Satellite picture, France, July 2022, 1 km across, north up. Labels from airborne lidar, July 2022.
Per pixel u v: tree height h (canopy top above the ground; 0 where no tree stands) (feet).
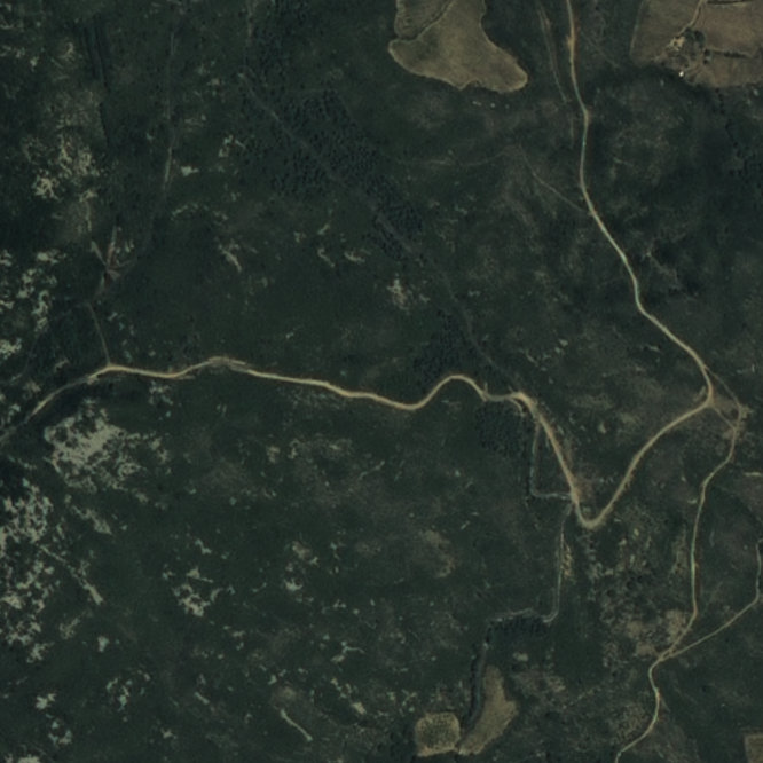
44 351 25
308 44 19
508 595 0
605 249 0
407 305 0
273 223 0
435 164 0
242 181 22
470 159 0
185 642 0
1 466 19
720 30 0
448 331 36
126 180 26
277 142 21
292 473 0
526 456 32
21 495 18
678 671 0
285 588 0
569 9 0
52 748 0
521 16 0
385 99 0
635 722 0
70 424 0
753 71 0
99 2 0
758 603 0
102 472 0
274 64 29
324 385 0
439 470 0
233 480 0
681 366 0
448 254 0
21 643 19
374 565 0
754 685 0
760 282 0
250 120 24
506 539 0
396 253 27
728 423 0
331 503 0
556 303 0
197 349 18
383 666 0
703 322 0
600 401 0
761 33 0
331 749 0
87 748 0
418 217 25
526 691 0
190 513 0
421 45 0
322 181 27
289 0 33
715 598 0
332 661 0
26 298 22
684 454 0
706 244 0
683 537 0
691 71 0
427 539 0
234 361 0
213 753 0
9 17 24
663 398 0
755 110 0
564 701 0
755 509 0
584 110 0
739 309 0
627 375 0
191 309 0
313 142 38
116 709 0
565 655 0
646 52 0
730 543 0
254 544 0
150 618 0
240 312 0
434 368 30
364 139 29
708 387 0
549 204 0
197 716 0
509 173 0
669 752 0
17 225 21
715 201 24
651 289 19
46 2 21
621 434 0
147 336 0
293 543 0
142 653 0
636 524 0
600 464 0
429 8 0
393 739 38
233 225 0
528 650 0
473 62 0
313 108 32
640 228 23
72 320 22
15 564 22
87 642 0
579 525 0
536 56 0
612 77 0
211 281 0
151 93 19
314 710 0
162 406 30
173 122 21
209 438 0
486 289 0
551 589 0
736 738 0
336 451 0
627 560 0
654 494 0
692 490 0
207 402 0
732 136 39
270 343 22
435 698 0
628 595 22
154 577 0
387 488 0
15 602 0
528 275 0
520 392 0
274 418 0
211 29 0
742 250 0
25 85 18
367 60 0
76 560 0
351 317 0
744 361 0
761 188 36
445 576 0
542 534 0
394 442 0
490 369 28
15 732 0
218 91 24
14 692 23
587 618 0
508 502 0
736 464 0
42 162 20
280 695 0
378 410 0
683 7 0
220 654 0
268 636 0
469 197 0
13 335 18
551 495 0
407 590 0
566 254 0
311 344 0
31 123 19
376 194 26
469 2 0
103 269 24
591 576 0
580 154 0
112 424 20
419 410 0
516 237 0
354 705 0
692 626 0
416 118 0
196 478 0
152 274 0
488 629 20
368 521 0
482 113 0
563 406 0
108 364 0
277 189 18
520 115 0
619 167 0
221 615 0
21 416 26
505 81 0
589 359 0
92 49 27
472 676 26
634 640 0
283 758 0
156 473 0
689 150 0
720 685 0
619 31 0
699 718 0
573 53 0
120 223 35
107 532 0
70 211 0
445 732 0
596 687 0
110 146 30
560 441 0
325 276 18
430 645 0
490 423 24
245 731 0
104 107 36
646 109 0
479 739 0
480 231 0
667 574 0
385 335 0
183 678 0
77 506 0
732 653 0
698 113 0
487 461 0
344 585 0
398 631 0
